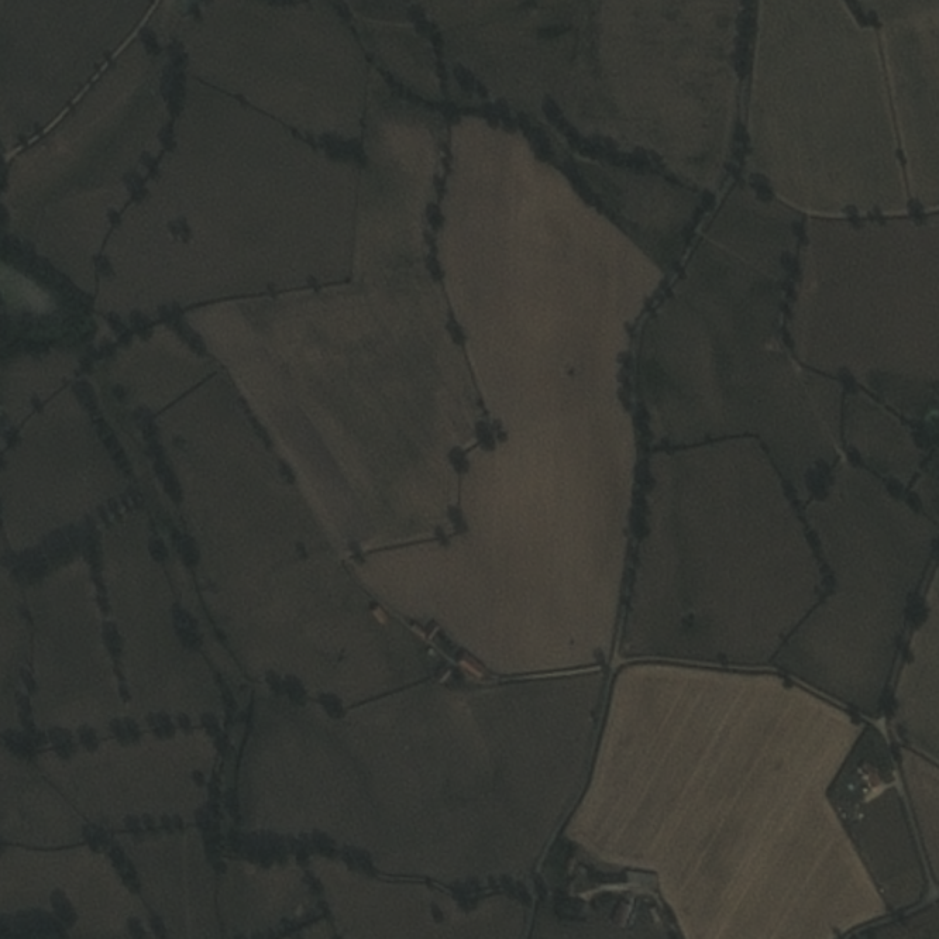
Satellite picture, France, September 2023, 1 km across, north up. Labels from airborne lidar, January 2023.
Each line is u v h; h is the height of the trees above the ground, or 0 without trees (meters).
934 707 0
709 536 0
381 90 0
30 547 0
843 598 0
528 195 0
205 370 0
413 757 0
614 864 0
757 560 0
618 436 0
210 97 0
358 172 0
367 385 0
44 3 0
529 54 0
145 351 0
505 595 0
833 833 0
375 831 0
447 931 0
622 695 0
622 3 0
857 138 0
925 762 0
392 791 0
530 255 0
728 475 0
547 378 0
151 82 0
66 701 0
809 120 0
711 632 0
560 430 0
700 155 0
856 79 0
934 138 0
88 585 0
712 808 0
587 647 0
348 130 0
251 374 0
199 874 0
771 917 0
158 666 0
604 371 0
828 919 0
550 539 0
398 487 0
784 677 15
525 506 0
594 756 0
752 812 0
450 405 0
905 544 0
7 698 0
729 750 0
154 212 0
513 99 0
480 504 0
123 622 0
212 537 0
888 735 0
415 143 0
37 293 0
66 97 0
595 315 0
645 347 0
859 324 0
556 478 0
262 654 0
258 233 0
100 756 0
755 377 0
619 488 0
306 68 0
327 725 0
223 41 0
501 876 0
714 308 0
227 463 0
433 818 0
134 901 0
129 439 0
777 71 0
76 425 0
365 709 0
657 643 0
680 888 0
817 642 0
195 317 0
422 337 0
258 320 0
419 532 0
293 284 0
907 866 0
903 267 0
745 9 13
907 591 0
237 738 0
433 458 0
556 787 0
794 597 0
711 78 0
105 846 15
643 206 0
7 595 0
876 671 0
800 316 0
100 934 0
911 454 0
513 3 0
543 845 0
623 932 0
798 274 15
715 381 0
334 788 0
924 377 0
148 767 0
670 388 0
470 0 0
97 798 0
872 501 0
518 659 0
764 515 0
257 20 0
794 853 0
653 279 0
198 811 0
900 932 0
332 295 0
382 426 0
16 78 0
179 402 0
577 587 0
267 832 0
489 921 0
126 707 0
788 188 0
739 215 0
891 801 0
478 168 0
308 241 0
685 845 0
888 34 0
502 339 0
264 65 0
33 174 0
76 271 0
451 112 15
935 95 0
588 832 0
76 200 0
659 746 0
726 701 0
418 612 0
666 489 0
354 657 0
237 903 0
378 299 0
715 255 0
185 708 0
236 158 0
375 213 0
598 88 0
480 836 0
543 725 0
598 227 0
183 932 0
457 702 0
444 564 0
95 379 0
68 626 0
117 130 0
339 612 0
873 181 0
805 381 0
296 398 0
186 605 0
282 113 0
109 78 0
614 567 0
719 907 0
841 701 0
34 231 0
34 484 0
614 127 0
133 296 0
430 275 13
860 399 0
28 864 0
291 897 0
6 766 0
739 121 0
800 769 0
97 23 0
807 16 0
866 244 0
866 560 0
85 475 0
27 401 0
